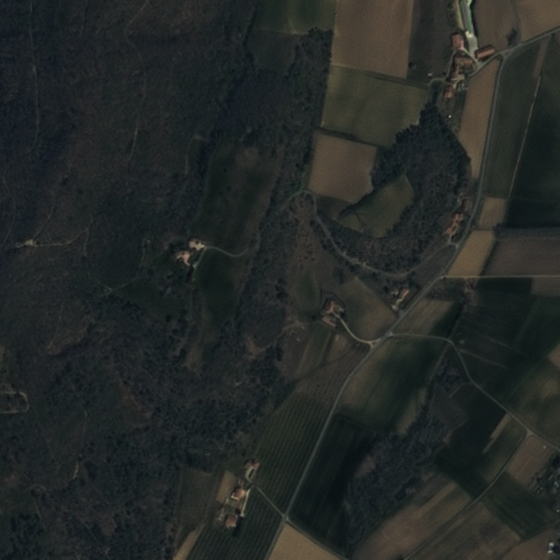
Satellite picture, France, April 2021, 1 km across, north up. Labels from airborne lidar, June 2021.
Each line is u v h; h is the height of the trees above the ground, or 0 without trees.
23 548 24
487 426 0
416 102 0
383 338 0
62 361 10
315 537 0
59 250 10
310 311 0
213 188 0
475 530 0
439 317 0
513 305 0
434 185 14
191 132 16
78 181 9
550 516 0
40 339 18
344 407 0
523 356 0
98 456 14
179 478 8
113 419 6
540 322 0
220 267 0
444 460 0
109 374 19
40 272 12
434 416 10
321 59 9
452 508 0
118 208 16
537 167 0
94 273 14
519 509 0
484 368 0
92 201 10
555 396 0
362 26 0
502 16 0
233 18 16
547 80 0
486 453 0
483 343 0
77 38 15
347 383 0
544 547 0
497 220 0
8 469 6
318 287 0
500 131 0
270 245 11
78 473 6
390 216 0
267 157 0
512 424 0
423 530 0
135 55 15
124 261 15
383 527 0
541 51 0
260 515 8
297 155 9
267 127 17
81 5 8
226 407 9
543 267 0
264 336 7
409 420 0
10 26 12
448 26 0
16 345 14
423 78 0
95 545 19
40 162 12
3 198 13
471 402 0
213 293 0
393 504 13
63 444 7
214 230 0
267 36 0
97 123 8
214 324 0
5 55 21
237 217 0
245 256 0
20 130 24
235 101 20
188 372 12
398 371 0
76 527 21
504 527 0
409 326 0
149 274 6
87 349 15
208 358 0
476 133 0
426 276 0
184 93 10
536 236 19
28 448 15
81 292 16
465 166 9
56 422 15
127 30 10
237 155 0
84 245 11
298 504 0
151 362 14
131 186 20
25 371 17
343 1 0
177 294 17
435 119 9
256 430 13
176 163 6
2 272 12
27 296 12
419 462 26
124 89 14
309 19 0
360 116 0
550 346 0
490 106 0
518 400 0
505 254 0
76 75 16
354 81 0
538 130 0
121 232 13
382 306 0
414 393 0
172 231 17
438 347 0
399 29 0
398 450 18
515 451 0
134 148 8
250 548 6
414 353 0
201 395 12
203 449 14
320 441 0
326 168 0
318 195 0
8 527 7
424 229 7
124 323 17
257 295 18
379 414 0
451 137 13
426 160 13
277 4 0
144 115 13
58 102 12
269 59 0
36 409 6
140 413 6
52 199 8
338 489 0
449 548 0
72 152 13
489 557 0
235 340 8
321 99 8
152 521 16
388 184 10
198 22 8
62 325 10
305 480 0
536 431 0
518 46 0
